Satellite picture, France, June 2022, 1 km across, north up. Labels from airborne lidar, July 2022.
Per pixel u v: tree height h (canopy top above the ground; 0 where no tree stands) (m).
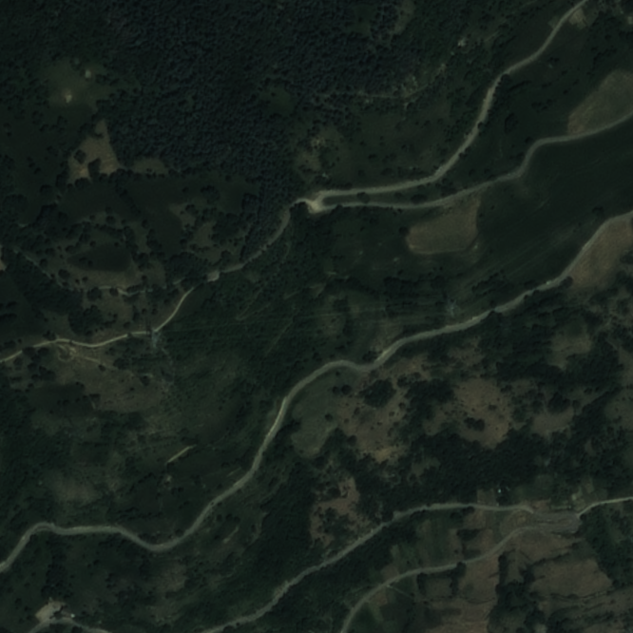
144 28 24
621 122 0
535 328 15
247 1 18
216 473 0
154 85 11
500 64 13
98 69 0
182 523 0
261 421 7
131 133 19
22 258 18
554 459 11
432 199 0
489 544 0
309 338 9
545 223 0
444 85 12
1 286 0
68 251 13
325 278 8
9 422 11
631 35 11
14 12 18
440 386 13
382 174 7
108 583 8
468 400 0
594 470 6
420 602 0
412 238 0
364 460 9
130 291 10
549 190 0
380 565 8
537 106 10
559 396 13
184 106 18
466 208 0
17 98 17
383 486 12
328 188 6
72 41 14
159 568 0
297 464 8
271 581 7
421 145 0
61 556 11
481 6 14
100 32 19
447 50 6
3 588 9
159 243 11
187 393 8
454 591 7
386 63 17
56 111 0
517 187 0
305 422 0
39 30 17
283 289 6
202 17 23
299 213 19
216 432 0
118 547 12
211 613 8
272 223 12
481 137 11
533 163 0
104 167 0
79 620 10
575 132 0
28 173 0
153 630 7
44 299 13
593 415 13
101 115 12
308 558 7
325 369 0
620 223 0
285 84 13
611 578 9
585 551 0
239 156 12
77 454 0
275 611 14
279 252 15
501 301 0
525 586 10
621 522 8
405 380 8
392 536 8
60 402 8
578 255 0
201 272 16
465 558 0
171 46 23
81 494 0
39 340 0
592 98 0
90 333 11
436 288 13
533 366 11
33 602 0
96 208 0
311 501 11
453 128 9
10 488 10
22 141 0
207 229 0
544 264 0
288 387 13
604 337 10
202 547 0
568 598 6
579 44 0
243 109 14
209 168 14
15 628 0
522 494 0
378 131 0
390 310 14
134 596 11
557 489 9
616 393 13
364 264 0
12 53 11
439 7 11
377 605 0
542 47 0
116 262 0
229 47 22
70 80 0
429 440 13
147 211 0
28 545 10
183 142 20
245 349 14
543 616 8
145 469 0
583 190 0
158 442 8
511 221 0
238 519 9
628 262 7
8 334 0
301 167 6
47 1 23
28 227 10
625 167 0
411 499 12
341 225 0
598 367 16
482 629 0
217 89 20
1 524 13
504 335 7
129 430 9
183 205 0
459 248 0
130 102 10
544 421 0
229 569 7
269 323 10
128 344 8
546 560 7
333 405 0
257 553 8
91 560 0
